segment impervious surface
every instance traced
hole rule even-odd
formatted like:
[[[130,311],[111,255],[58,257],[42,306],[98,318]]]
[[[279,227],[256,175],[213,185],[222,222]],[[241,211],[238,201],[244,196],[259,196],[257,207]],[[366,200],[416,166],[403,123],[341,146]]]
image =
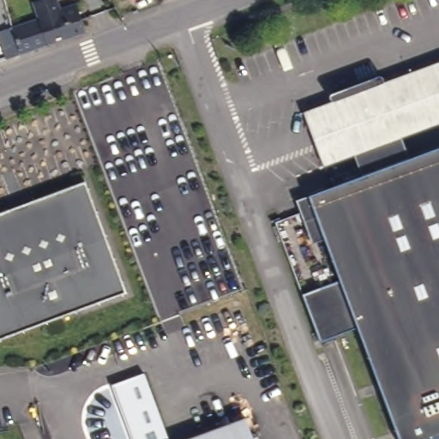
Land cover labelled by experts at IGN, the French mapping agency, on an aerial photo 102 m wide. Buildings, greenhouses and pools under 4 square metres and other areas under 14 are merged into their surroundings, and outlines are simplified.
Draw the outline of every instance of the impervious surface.
[[[46,99],[58,96],[65,103],[62,108],[50,110],[46,117],[38,117],[38,120],[31,123],[14,125],[0,132],[0,213],[10,207],[19,206],[82,182],[82,166],[91,166],[91,170],[103,171],[111,202],[117,209],[123,232],[129,237],[132,256],[146,286],[147,297],[153,305],[153,319],[149,326],[130,326],[125,329],[125,334],[113,333],[110,338],[103,341],[103,345],[94,346],[91,350],[77,352],[75,348],[72,348],[72,357],[62,358],[53,364],[41,364],[31,362],[26,367],[7,365],[0,369],[0,439],[132,439],[129,422],[123,412],[122,403],[118,400],[117,388],[113,384],[135,376],[146,377],[147,386],[151,389],[159,417],[168,434],[166,439],[192,439],[238,422],[242,417],[249,420],[250,434],[257,439],[302,439],[302,432],[295,424],[290,405],[281,398],[280,389],[276,389],[278,377],[274,374],[274,367],[268,358],[264,357],[266,350],[276,350],[280,345],[266,341],[254,343],[247,333],[249,326],[245,324],[242,309],[250,302],[250,295],[244,292],[244,280],[240,278],[237,262],[232,257],[235,249],[232,249],[228,242],[223,240],[223,233],[219,232],[219,216],[213,211],[216,194],[209,194],[209,189],[202,189],[206,175],[202,173],[201,161],[197,159],[194,142],[189,137],[189,129],[185,127],[183,118],[178,115],[177,98],[170,93],[170,87],[161,86],[156,74],[158,69],[144,62],[149,51],[158,50],[161,46],[173,46],[180,53],[182,70],[187,75],[202,122],[206,127],[207,139],[213,147],[214,158],[218,161],[218,173],[225,178],[226,189],[237,206],[238,218],[242,223],[242,230],[238,233],[242,237],[256,259],[262,286],[268,295],[269,304],[273,305],[274,317],[285,336],[286,352],[297,370],[298,382],[304,389],[305,400],[309,401],[312,408],[316,422],[312,439],[393,439],[396,432],[382,400],[381,389],[370,367],[360,334],[357,331],[353,334],[353,340],[357,343],[358,352],[362,355],[362,362],[369,374],[370,386],[365,388],[357,388],[353,382],[352,372],[346,364],[346,348],[341,346],[341,336],[331,341],[312,340],[298,305],[297,292],[305,285],[305,281],[326,280],[329,278],[329,269],[326,261],[322,259],[319,245],[312,238],[309,238],[307,244],[300,244],[302,232],[295,232],[295,226],[302,223],[302,216],[298,216],[297,207],[292,207],[292,197],[300,199],[317,194],[340,183],[350,182],[353,178],[364,177],[372,171],[415,158],[418,154],[429,153],[439,147],[439,125],[405,137],[405,151],[382,156],[376,161],[360,166],[357,166],[352,158],[348,158],[326,166],[317,151],[314,135],[310,132],[309,122],[305,118],[305,111],[328,105],[329,94],[334,91],[370,79],[382,84],[439,62],[439,0],[413,0],[410,9],[405,3],[389,3],[384,9],[358,15],[350,22],[336,24],[319,29],[316,33],[298,36],[290,43],[286,43],[283,50],[278,46],[271,46],[262,50],[259,55],[245,57],[235,58],[233,63],[240,67],[242,72],[238,82],[226,81],[211,43],[211,31],[213,26],[225,24],[226,33],[232,39],[233,45],[237,43],[237,39],[250,38],[252,31],[268,17],[285,14],[292,12],[292,3],[286,3],[285,0],[81,0],[79,19],[89,19],[82,36],[55,38],[51,45],[43,46],[39,50],[0,60],[0,117],[10,115],[12,111],[21,111],[22,108],[41,105]],[[111,65],[120,65],[120,72],[117,75],[106,77],[94,87],[79,87],[81,77]],[[382,436],[374,437],[362,405],[365,398],[372,396],[376,396],[384,424],[388,427]]]
[[[7,29],[12,33],[12,21],[9,5],[3,0],[0,0],[0,31]]]

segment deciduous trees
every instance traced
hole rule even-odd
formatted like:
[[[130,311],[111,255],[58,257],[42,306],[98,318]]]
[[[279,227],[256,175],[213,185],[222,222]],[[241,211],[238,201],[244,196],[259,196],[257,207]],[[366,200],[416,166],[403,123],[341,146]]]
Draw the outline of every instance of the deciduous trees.
[[[292,12],[312,15],[326,9],[336,24],[350,22],[358,15],[384,9],[389,3],[405,3],[410,9],[413,0],[285,0],[286,3],[292,3]]]
[[[288,26],[285,14],[268,17],[252,31],[250,38],[237,39],[237,43],[233,45],[237,46],[245,57],[259,55],[262,50],[271,46],[268,43],[271,36],[281,26]]]

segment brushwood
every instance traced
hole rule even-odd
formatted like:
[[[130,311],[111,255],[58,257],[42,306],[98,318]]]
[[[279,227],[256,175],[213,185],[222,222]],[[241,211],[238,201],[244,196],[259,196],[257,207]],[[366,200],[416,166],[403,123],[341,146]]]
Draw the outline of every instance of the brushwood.
[[[31,362],[29,357],[19,353],[3,352],[0,348],[0,369],[7,365],[26,367]]]
[[[278,46],[283,50],[286,43],[290,43],[298,36],[316,33],[319,29],[336,24],[326,9],[312,15],[292,12],[285,14],[288,26],[281,26],[271,36],[268,43],[271,46]]]
[[[242,223],[238,218],[237,206],[226,189],[225,178],[218,173],[218,161],[214,158],[213,147],[207,139],[206,127],[202,122],[192,122],[189,129],[189,137],[194,142],[197,159],[201,161],[202,173],[206,175],[202,189],[209,189],[209,194],[216,194],[213,211],[219,216],[219,232],[223,233],[223,240],[228,242],[237,244],[238,238],[242,237],[238,233],[242,230]]]
[[[53,364],[62,358],[72,357],[72,348],[63,343],[55,348],[48,348],[41,355],[41,364]]]
[[[110,338],[113,333],[125,334],[125,329],[130,326],[149,326],[153,319],[149,316],[130,317],[111,331],[87,334],[75,348],[77,352],[91,350],[94,346],[103,345],[103,341]]]
[[[256,305],[256,309],[269,304],[268,295],[262,286],[256,286],[250,295],[250,302]]]
[[[12,111],[10,115],[0,117],[0,132],[14,125],[31,123],[38,120],[38,117],[46,117],[50,110],[62,108],[65,103],[58,96],[46,99],[41,105],[22,108],[21,111]]]

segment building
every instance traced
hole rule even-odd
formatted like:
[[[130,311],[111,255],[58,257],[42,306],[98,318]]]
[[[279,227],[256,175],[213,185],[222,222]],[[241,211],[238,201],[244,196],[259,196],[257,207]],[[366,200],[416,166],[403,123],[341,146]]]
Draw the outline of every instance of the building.
[[[117,388],[118,400],[122,403],[123,412],[129,422],[132,439],[166,439],[168,434],[159,417],[151,389],[147,386],[146,377],[135,376],[113,384]]]
[[[82,182],[19,206],[10,207],[0,213],[0,338],[9,340],[12,334],[27,333],[36,326],[50,326],[53,322],[70,321],[75,316],[82,316],[106,305],[117,304],[132,295],[120,268],[120,261],[111,245],[105,219],[99,211],[93,189],[89,183]]]
[[[257,439],[250,434],[249,420],[242,417],[238,422],[192,439]]]
[[[357,331],[360,334],[370,367],[381,389],[382,400],[396,432],[393,439],[439,439],[439,147],[429,153],[418,154],[415,158],[372,171],[364,177],[353,178],[350,182],[340,183],[317,194],[300,199],[292,197],[292,207],[297,207],[298,216],[302,216],[302,223],[295,226],[295,232],[302,232],[300,244],[307,244],[309,238],[312,238],[319,245],[322,259],[326,261],[329,269],[329,278],[326,280],[305,281],[305,285],[297,292],[298,305],[312,340],[331,341],[341,336],[345,333],[353,334]]]
[[[305,118],[309,122],[310,132],[314,135],[317,151],[326,166],[348,158],[352,158],[357,166],[360,166],[376,161],[382,156],[405,151],[405,137],[439,125],[439,62],[382,84],[370,79],[334,91],[329,94],[328,105],[305,111]]]
[[[89,19],[79,19],[81,0],[29,0],[31,12],[12,21],[12,33],[7,29],[0,31],[0,60],[39,50],[43,46],[51,45],[55,38],[82,36]]]

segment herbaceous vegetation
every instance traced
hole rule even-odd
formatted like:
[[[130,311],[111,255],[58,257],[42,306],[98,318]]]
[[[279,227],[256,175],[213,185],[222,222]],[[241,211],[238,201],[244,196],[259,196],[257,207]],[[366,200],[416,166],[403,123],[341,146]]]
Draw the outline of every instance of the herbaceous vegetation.
[[[240,67],[233,63],[235,58],[245,57],[237,46],[233,45],[232,39],[226,33],[225,24],[213,26],[211,31],[211,43],[226,81],[238,82],[242,72]]]
[[[9,5],[12,21],[31,12],[29,0],[3,0]]]
[[[120,65],[111,65],[81,77],[79,87],[94,87],[106,77],[117,75],[120,72]]]
[[[357,388],[365,388],[370,386],[369,374],[362,362],[362,355],[358,352],[357,343],[353,340],[353,334],[345,333],[341,336],[341,346],[346,348],[346,364],[352,372],[353,382]]]
[[[183,118],[185,127],[189,129],[192,122],[202,122],[187,75],[182,70],[180,53],[173,46],[161,46],[158,50],[149,51],[144,62],[158,69],[156,74],[161,86],[170,87],[170,93],[177,98],[178,115]]]
[[[130,317],[149,316],[153,319],[153,305],[147,297],[146,286],[132,256],[129,237],[123,232],[117,209],[111,202],[103,171],[91,170],[91,166],[82,166],[82,182],[89,183],[93,189],[99,211],[105,219],[111,245],[120,261],[120,268],[132,295],[117,304],[106,305],[82,316],[75,316],[70,321],[53,322],[50,326],[36,326],[27,333],[12,334],[9,340],[0,338],[0,348],[3,352],[19,353],[29,357],[31,362],[41,364],[41,355],[48,348],[55,348],[63,343],[72,348],[75,348],[87,334],[111,331]]]
[[[264,357],[268,358],[274,367],[274,374],[278,377],[276,389],[280,389],[281,398],[290,405],[295,424],[302,432],[302,439],[312,439],[316,422],[312,408],[309,401],[305,400],[304,389],[298,382],[297,370],[286,352],[285,336],[274,317],[273,305],[269,304],[256,309],[256,305],[250,302],[242,309],[245,324],[249,326],[247,333],[254,343],[266,341],[280,345],[276,350],[266,350]]]
[[[388,427],[384,424],[376,396],[372,396],[365,398],[362,405],[374,437],[382,436]]]
[[[228,242],[232,249],[235,249],[232,257],[237,262],[240,278],[244,280],[244,292],[250,295],[256,286],[262,286],[256,259],[242,237],[238,238],[237,244]]]

